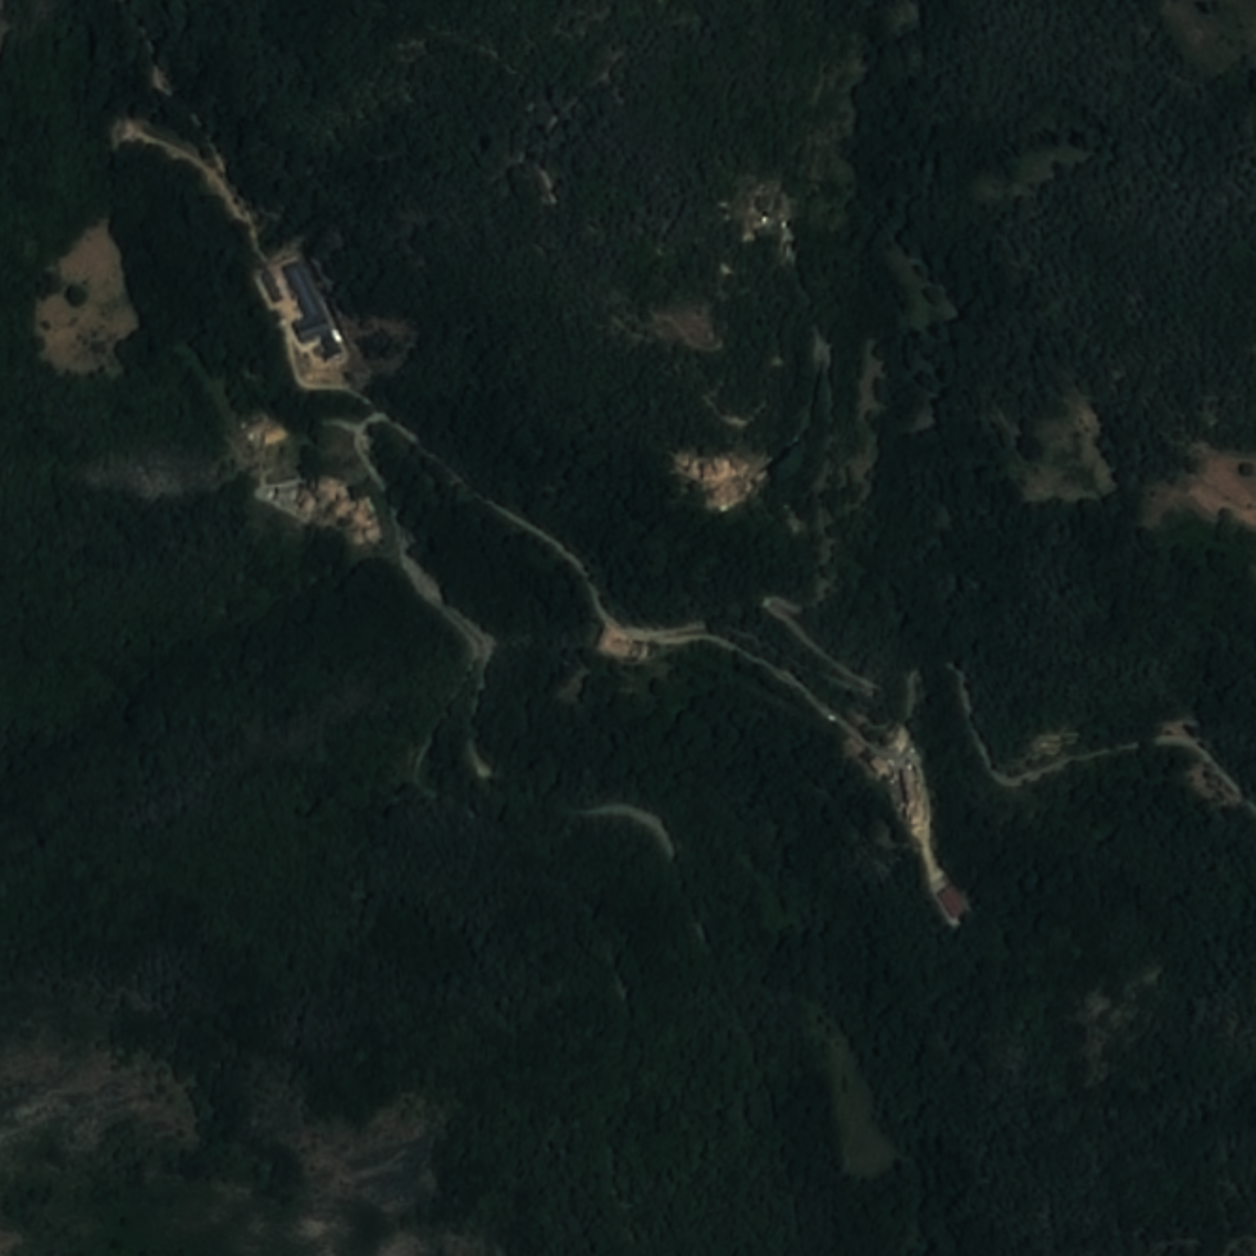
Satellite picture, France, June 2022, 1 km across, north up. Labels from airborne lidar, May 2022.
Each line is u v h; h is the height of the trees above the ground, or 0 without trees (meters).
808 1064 21
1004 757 10
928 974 13
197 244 18
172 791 9
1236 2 0
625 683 12
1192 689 13
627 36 8
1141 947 16
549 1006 18
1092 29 12
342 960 18
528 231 11
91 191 16
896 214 16
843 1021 16
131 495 18
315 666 12
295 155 19
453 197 11
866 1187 13
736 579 14
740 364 14
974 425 14
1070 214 11
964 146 15
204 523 15
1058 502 8
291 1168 9
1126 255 11
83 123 15
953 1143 18
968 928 17
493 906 22
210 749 6
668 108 11
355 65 15
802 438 10
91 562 16
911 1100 14
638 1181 19
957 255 19
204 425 15
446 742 19
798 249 17
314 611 25
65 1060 0
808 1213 20
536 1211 22
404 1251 0
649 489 12
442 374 13
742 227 14
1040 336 11
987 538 16
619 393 9
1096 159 7
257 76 23
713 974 17
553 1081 15
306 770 19
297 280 0
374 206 11
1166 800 22
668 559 9
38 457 18
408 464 13
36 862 20
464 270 11
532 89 9
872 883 9
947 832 20
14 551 13
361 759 23
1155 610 8
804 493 9
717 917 19
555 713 16
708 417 8
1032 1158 17
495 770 8
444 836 22
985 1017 13
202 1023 12
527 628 14
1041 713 19
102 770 18
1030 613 17
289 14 19
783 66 10
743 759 12
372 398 17
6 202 15
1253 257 10
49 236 15
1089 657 11
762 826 28
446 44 13
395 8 12
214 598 13
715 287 8
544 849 21
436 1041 17
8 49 15
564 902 17
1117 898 10
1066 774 7
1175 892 19
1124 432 16
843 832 17
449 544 18
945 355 26
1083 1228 14
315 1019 14
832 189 12
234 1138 12
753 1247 17
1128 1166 19
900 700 15
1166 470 12
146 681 19
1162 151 14
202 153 12
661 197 18
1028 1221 12
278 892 17
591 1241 17
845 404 14
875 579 24
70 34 12
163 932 13
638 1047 14
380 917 7
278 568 13
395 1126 0
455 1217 11
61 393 9
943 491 17
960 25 9
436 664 7
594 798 14
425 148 18
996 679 16
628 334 8
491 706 19
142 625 14
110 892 18
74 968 9
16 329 18
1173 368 12
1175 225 13
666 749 21
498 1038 19
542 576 18
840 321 16
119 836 19
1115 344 10
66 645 15
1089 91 14
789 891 17
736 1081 20
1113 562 10
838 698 9
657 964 15
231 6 8
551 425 13
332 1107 13
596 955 18
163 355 20
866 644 12
